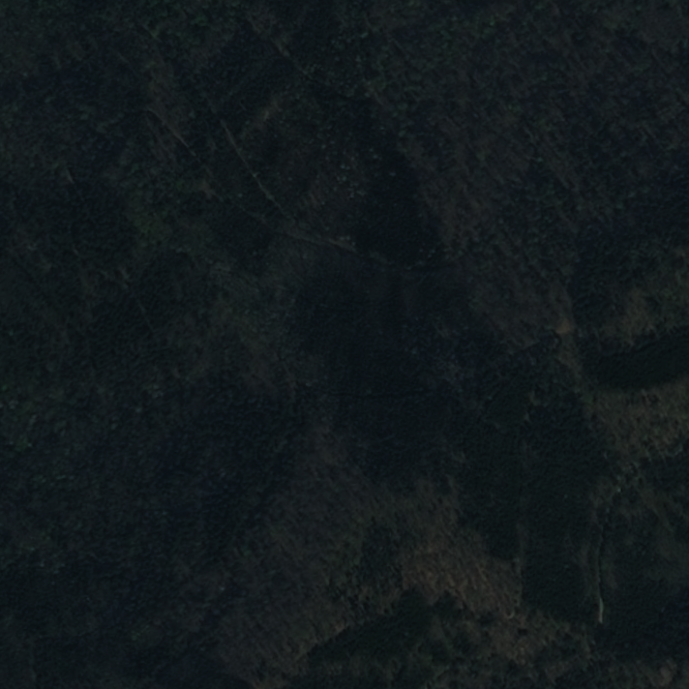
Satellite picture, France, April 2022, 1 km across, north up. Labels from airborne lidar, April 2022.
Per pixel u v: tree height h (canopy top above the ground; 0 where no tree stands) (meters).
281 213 16
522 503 20
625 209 21
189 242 15
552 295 24
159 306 31
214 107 24
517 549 19
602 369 20
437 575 23
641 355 17
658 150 15
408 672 17
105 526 25
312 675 18
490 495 21
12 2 22
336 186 24
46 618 18
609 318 20
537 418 29
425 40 29
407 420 18
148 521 22
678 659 25
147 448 30
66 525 27
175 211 18
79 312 16
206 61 27
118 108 13
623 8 27
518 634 20
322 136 21
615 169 27
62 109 30
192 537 25
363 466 16
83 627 16
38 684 9
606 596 18
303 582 18
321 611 23
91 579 19
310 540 14
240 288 16
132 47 12
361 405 19
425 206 19
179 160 26
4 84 15
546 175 16
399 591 30
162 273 26
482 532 17
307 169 23
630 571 17
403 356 17
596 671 29
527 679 18
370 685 19
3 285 16
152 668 16
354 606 27
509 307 19
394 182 19
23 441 25
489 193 22
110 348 24
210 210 11
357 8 20
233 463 30
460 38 24
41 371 21
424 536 21
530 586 16
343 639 17
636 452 15
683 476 14
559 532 21
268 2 23
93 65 14
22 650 15
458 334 15
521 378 15
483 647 25
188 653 14
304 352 20
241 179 20
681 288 21
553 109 32
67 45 21
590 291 29
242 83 27
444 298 16
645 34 26
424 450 17
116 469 29
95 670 14
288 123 22
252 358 20
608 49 24
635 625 16
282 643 9
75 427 30
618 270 22
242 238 20
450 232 26
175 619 14
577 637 22
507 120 27
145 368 23
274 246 17
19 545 26
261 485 25
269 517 21
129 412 31
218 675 12
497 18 26
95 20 17
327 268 22
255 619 25
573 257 17
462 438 17
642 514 17
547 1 21
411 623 14
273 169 20
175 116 27
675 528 16
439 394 17
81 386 26
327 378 18
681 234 13
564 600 19
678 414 24
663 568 18
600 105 21
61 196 23
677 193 10
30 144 21
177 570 25
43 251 15
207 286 14
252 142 21
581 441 30
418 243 21
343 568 9
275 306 16
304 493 23
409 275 17
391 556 32
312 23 29
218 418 25
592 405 28
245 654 14
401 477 16
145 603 26
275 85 24
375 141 20
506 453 24
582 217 25
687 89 25
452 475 18
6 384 20
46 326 16
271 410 22
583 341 19
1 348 18
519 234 26
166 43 20
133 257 26
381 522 13
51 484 23
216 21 26
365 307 19
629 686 20
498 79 31
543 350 10
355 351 18
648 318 11
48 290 17
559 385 40
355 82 20
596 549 16
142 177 17
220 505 29
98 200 24
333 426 12
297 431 14
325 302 21
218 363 17
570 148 9
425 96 19
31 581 18
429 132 20
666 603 18
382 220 17
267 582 26
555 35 31
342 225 20
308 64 21
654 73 35
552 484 19
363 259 19
